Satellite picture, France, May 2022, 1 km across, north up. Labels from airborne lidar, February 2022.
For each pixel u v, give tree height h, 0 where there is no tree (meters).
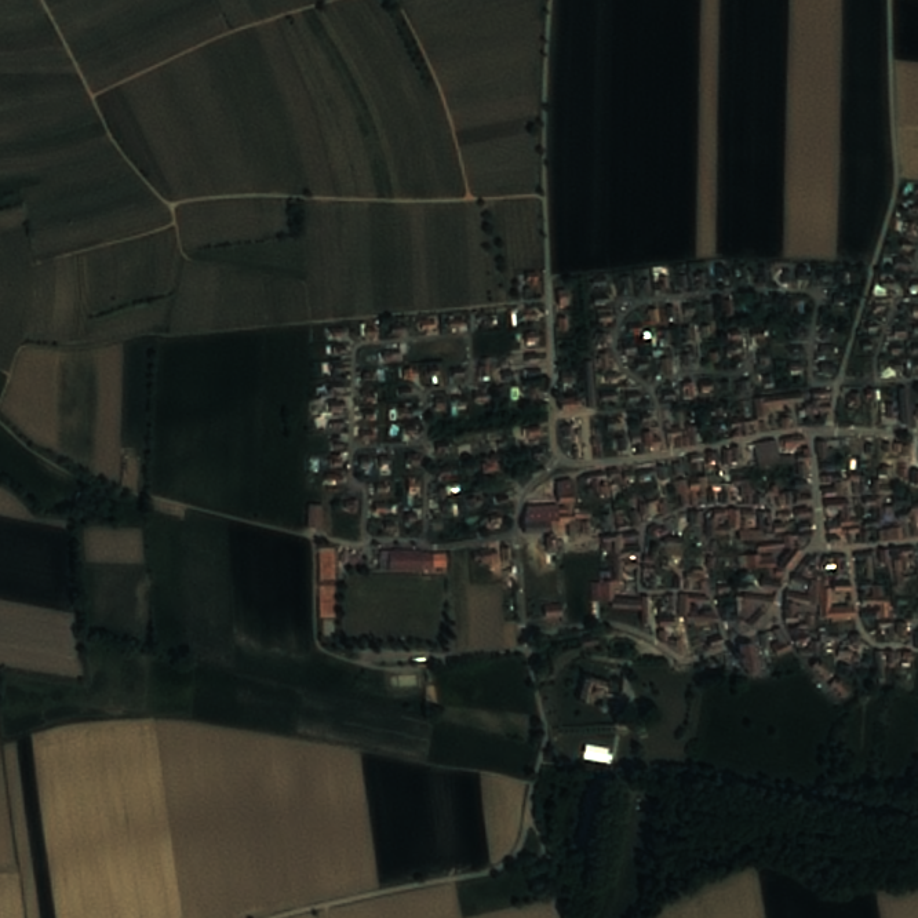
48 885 0
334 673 0
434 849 0
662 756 0
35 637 0
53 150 0
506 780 0
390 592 0
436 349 0
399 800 0
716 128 0
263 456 0
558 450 0
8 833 0
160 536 0
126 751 0
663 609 0
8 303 0
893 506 6
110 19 0
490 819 0
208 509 0
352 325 0
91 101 0
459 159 0
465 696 0
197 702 0
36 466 0
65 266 0
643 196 0
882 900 0
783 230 0
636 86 0
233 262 0
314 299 0
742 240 0
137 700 0
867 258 0
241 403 0
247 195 0
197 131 0
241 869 0
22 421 0
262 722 0
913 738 0
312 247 0
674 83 0
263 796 0
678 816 29
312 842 0
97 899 0
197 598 0
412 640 9
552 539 0
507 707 0
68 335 0
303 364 0
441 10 0
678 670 11
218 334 0
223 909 0
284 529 0
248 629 0
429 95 0
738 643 0
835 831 31
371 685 0
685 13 0
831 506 0
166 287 0
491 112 0
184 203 0
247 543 0
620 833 26
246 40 0
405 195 0
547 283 0
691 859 25
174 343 0
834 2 0
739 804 35
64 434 0
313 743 0
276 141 0
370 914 0
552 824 10
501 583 0
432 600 0
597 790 32
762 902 0
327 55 0
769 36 0
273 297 0
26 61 0
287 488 0
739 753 0
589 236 0
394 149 0
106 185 0
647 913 20
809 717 0
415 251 0
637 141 0
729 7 0
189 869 0
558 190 0
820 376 0
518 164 0
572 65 0
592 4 0
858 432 0
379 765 0
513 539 0
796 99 0
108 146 0
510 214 0
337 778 0
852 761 17
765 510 0
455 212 0
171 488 0
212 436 0
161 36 0
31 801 0
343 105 0
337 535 0
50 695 0
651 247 0
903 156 0
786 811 30
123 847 0
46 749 0
